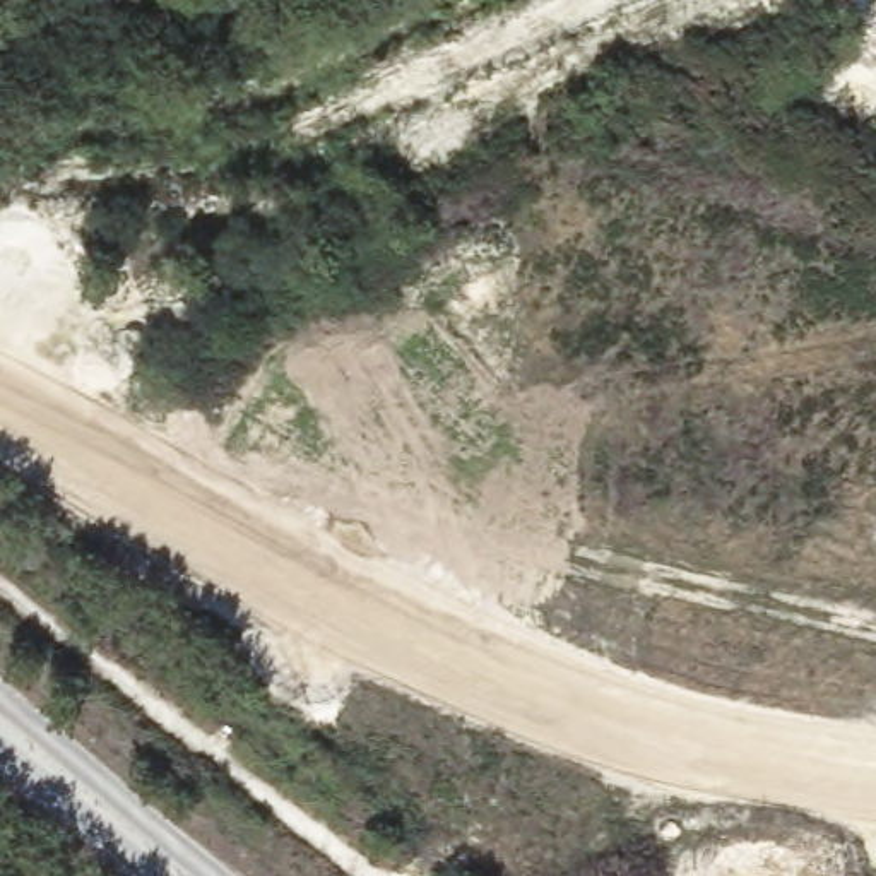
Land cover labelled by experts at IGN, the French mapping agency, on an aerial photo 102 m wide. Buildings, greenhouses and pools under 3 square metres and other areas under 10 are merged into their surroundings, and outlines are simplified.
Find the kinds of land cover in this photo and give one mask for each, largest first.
<instances>
[{"label":"pervious surface","instance_id":"1","mask_svg":"<svg viewBox=\"0 0 876 876\"><path fill-rule=\"evenodd\" d=\"M777 10V0H530L520 10L476 21L455 41H441L424 51L400 48L397 58L380 62L376 68L363 72L359 89L329 96L325 103L301 110L294 116V130L301 137L325 133L335 123H346L363 113L370 127L352 133V144H397V151L414 164L448 161L452 151L465 144L469 130L489 133L493 110H500L503 116L537 113V99L544 89L582 72L602 44L616 38H626L630 44H657L667 38H681L688 24L743 27L746 10ZM825 99L838 110H876V10L866 27L859 62L849 65L835 72V79L825 89ZM99 181L82 154L58 161L41 181H27L24 171L0 175V462L10 469H31L34 462H44L51 469L58 503L72 517L86 520V527L72 537V551L82 558L86 568L110 571V578L116 582L171 592L178 602L181 640L212 636L240 664H246L253 657V647H260L270 660V698L318 722H335L342 701L349 698L352 678H366L445 715H462L476 729H500L527 749L582 763L595 770L606 784L626 787L630 801L640 808L681 797L790 804L814 818H828L862 835L873 862L862 876H876V489L845 486L842 513L835 520H818L814 537L801 548V558L780 568L770 565V524H756L736 534L725 517H715L701 506V500H664L626 517H619L613 503L599 496V489L578 503L582 448L589 452L595 438H626L630 421L647 407V397L643 383L633 380L626 363L602 366L595 359L582 376H575L565 366V356L551 342V332L558 315V294L568 281V270L554 267L551 274H534V267H524L517 260H506L500 270L472 267L469 287L438 315L424 311V294L414 284L404 287L400 311L394 315L308 322L291 339L287 376L318 411L322 435L332 438V445L318 459H305L298 445H287L277 435L260 431L257 424L246 431L250 441H260L257 455L226 452V438L236 428L243 407L257 400L260 390L270 383L257 370L243 380V387L226 407H205L202 414L188 411H171L164 421H154L151 414H130L127 380L133 363L130 356L140 335L127 322H144L151 311L164 308L178 315L185 311V298L178 287L157 277L120 281L99 308H92L89 301H82L79 291L82 257L86 246L79 233L86 216L75 198L65 195L62 185ZM417 332H435V339L448 346L459 359H465L469 370L448 380V387L431 380L407 383L400 376L397 352ZM500 424H510L513 441L520 445V462L500 459V465L482 482L462 479L452 486L448 462L486 455L496 441L493 435ZM229 212L226 195H192L185 216ZM650 284L664 287V294H643L640 301V311L650 315L667 305H681L688 335L705 349V370L695 380L725 383L739 397L763 390L767 380L780 373L804 376V394L814 397L835 383H862L859 363L876 359V318H835L808 329L804 339L777 342L773 322H780L790 308V281H780L777 287H684V281L678 277H650ZM0 595L14 602L17 613L38 619L55 640H65L68 626L48 606L34 602L21 585H14L7 575H0ZM89 664L103 678H110L154 722L185 739L192 749L216 756L229 770V777L240 780L274 814L298 835H305L311 845L329 852L349 876H404L400 873L370 866L366 855L349 849L335 832L305 814L298 804H291L277 787L250 773L229 749L233 732L226 725H219L216 732H202L171 701L157 698L151 684L137 681L113 657L99 654H92ZM674 876H845L838 842H828L818 832H794L787 845L736 842L722 849L715 845L701 852H684L674 859Z\"/></svg>","mask_w":876,"mask_h":876},{"label":"herbaceous vegetation","instance_id":"2","mask_svg":"<svg viewBox=\"0 0 876 876\"><path fill-rule=\"evenodd\" d=\"M838 0H777V10H746L743 27L688 24L681 38H667L657 44H630L626 38H616L602 44L582 72L544 89L537 99V113L503 116L500 110H493L489 133L469 130L465 144L452 151L448 161L414 164L441 212L435 233H441L452 243L448 253L424 260V274L414 284L424 294V311L438 315L469 287L472 267L500 270L506 260H517L524 267H534V274H551L554 267L568 270V281L558 294V315L551 332V342L565 356V366L575 376H582L595 359L602 366L626 363L633 380L643 383L647 397V407L630 421L626 438H595L589 452L582 448L578 503L599 489V496L613 503L619 517H626L664 500H701V506L715 517H725L736 534L756 524H770V565L780 568L801 558V548L814 537L818 520H835L842 513L845 486L876 489V359L859 363L862 383H835L814 397L804 394V376L780 373L767 380L763 390L739 397L725 383L695 380L705 370V349L688 335L681 305H667L650 315L640 311V301L643 294H664V287L650 284V277H678L684 281V287H777L780 281H790V308L780 322H773L777 342L804 339L808 329L835 318H876V110H838L825 99V89L835 79V72L849 65L835 55V41L845 38L842 14L835 10ZM722 178L749 185V195H760V188L767 185H780L787 195H794L797 188H811L814 205L825 212V229L804 236L794 229L767 226L753 209L712 205L705 192ZM575 192L592 205L589 212L599 226V243L592 253L582 250V233H575L565 246H554L548 253L520 257V246H496L503 236L513 233V216L520 212V205L537 202L541 195L561 202ZM120 281L110 270H96L82 257L79 291L82 301H89L92 308H99ZM400 376L407 383L431 380L448 387V380L469 370L465 359H459L448 346L435 339V332H417L397 352ZM291 339L263 349L257 370L270 383L260 390L257 400L243 407L236 428L226 438V452L257 455L260 441H250L246 431L257 424L260 431L277 435L287 445H298L305 459H318L332 445V438L322 435L318 411L287 376ZM168 370L133 363L127 380L130 414H151L154 421H164L171 411H188V400L164 376ZM496 441L486 455L448 462L452 486L462 479L482 482L500 465V459L520 462V445L513 441L510 424H500L493 435ZM339 743H356L373 753H383L390 763V790H411L424 821L431 825V838L400 873L404 876H431V869L462 845L489 852L510 876H674V859L684 852H701L715 845L722 849L736 842L787 845L794 832H818L828 842H838L845 876H862L873 862L862 835L828 818H814L790 804L681 797L640 808L630 801L626 787L606 784L595 770L582 763L527 749L500 729H476L462 715H445L366 678H352L349 698L342 701L335 722H322ZM65 736L89 749L116 777H123L130 773L133 760V725L123 712H113L103 698L89 695L79 722ZM188 838L205 845L240 876H349L329 852L311 845L305 835H298L274 814L263 825L257 818L240 814L226 797H202L195 811L185 814L178 825Z\"/></svg>","mask_w":876,"mask_h":876},{"label":"coniferous trees","instance_id":"3","mask_svg":"<svg viewBox=\"0 0 876 876\"><path fill-rule=\"evenodd\" d=\"M530 0H0V175L24 171L27 181H41L58 161L82 154L99 181L62 185L65 195L75 198L86 216L79 233L86 246L82 257L96 270H110L120 281L157 277L178 287L185 298V311L178 315L164 308L151 311L144 322H127L140 335L130 356L133 363L168 370L164 376L188 400V411L202 414L205 407H226L243 387V380L257 370L263 349L291 339L308 322L394 315L400 311L404 287L414 284L424 274V260L448 253L452 243L441 233H435L441 212L414 164L397 151V144H352V133L370 127L363 113L346 123H335L325 133L301 137L294 130V116L301 110L291 89L277 96H253L246 89V79L257 72V65L270 62L277 72H287L329 55L363 48H370L380 62L397 58L400 48L424 51L441 41H455L476 21L520 10ZM192 195H226L229 212L185 216ZM835 10L842 14L845 38L835 41V55L849 65L859 62L866 27L876 10V0H838ZM86 527V520L72 517L58 503L51 469L44 462H34L31 469H10L0 462V575H7L14 585H21L34 602L48 606L68 626H79L86 636H92L99 654L113 657L137 681L151 684L157 698L171 701L202 732H216L219 725H226L233 732L229 749L250 773L277 787L291 804H298L305 814L335 832L342 828V811L352 790L339 784L335 770L329 767V756L308 743V732L318 722L270 698V660L260 647H253V657L246 664H240L212 636L181 640L178 602L171 592L116 582L110 578V571L86 568L82 558L72 551V537ZM103 852H82L75 804L68 811L44 808L27 797V790L10 794L0 780V876H116L99 869Z\"/></svg>","mask_w":876,"mask_h":876},{"label":"brushwood","instance_id":"4","mask_svg":"<svg viewBox=\"0 0 876 876\"><path fill-rule=\"evenodd\" d=\"M380 62L370 48H363L329 55L287 72H277L270 62L257 65V72L246 79V89L253 96H277L291 89L301 110L325 103L329 96L359 89L363 72L376 68ZM92 654H99L92 636H86L79 626H68L65 640H55L38 619L17 613L14 602L0 595V678L24 691L31 705H38L51 732L65 736L79 722L89 695L103 698L113 712H123L133 725V760L130 773L123 777V784L144 804L157 808L168 821L178 825L185 814L195 811L202 797H226L240 814L257 818L263 825L274 814L240 780L229 777V770L216 756L192 749L185 739L154 722L110 678H103L89 664ZM308 743L329 756V767L335 770L339 784L352 790L342 811V828L335 832L349 849L366 855L370 866L400 873L431 838V825L424 821L411 790H390V763L383 753H373L356 743H339L322 722H318L308 732ZM431 876H510L489 852L462 845L431 869Z\"/></svg>","mask_w":876,"mask_h":876},{"label":"impervious surface","instance_id":"5","mask_svg":"<svg viewBox=\"0 0 876 876\"><path fill-rule=\"evenodd\" d=\"M0 780L10 794L27 790V797L44 808L68 811L75 804L82 852H103L99 869L116 876H240L205 845L188 838L178 825L168 821L157 808L144 804L123 784V777H116L89 749L65 736L51 732L38 705H31L24 691L0 678Z\"/></svg>","mask_w":876,"mask_h":876},{"label":"bare soil","instance_id":"6","mask_svg":"<svg viewBox=\"0 0 876 876\"><path fill-rule=\"evenodd\" d=\"M712 205L753 209L767 226L794 229L804 236L825 229V212L814 205L811 188H797L794 195H787L780 185H767L760 188V195H749V185L722 178L705 192ZM592 205L575 192L561 202L541 195L537 202L520 205V212L513 216V233L503 236L496 246H520V257L548 253L554 246H565L575 233H582V250L592 253L599 243V226L589 212Z\"/></svg>","mask_w":876,"mask_h":876}]
</instances>
